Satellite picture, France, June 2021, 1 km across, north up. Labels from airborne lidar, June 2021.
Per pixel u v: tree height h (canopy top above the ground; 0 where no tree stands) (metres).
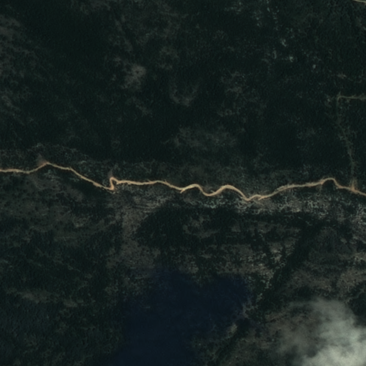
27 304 14
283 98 6
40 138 7
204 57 7
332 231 6
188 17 6
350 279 0
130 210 0
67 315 9
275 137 6
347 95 8
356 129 7
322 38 6
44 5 8
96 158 5
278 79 8
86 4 6
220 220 8
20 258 5
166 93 7
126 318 7
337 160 7
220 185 0
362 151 8
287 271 8
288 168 7
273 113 10
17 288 7
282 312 0
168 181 0
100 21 6
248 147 8
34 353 7
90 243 8
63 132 6
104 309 7
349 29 7
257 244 6
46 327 10
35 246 8
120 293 9
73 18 8
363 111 9
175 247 6
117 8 7
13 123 7
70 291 6
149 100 8
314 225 9
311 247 7
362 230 0
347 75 8
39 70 7
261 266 0
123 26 6
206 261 7
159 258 6
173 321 7
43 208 0
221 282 6
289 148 6
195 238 9
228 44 6
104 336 6
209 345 8
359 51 14
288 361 7
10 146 7
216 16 10
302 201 0
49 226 0
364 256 0
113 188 0
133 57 6
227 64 6
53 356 8
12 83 6
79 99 7
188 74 9
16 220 9
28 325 12
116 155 7
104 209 8
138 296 6
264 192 0
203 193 0
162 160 10
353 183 0
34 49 7
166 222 9
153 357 6
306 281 0
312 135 7
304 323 0
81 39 12
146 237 7
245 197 0
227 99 6
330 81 9
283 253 6
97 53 6
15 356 6
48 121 7
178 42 7
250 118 7
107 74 6
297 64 8
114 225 6
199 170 0
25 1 8
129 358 8
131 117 6
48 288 10
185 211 6
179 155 7
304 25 6
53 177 0
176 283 6
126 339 7
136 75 0
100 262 8
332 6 10
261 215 6
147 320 6
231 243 7
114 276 7
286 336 6
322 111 13
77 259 9
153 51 6
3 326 13
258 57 7
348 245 8
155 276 0
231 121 7
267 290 8
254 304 8
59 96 5
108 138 8
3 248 8
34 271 8
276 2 7
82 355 10
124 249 0
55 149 6
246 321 10
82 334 7
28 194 7
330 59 8
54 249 8
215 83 9
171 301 7
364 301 6
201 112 8
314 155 8
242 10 5
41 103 8
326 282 0
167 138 8
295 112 7
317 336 0
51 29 11
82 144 10
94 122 9
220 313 6
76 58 8
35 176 0
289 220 7
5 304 10
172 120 8
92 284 7
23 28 5
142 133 9
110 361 9
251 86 7
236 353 0
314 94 6
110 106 8
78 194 0
